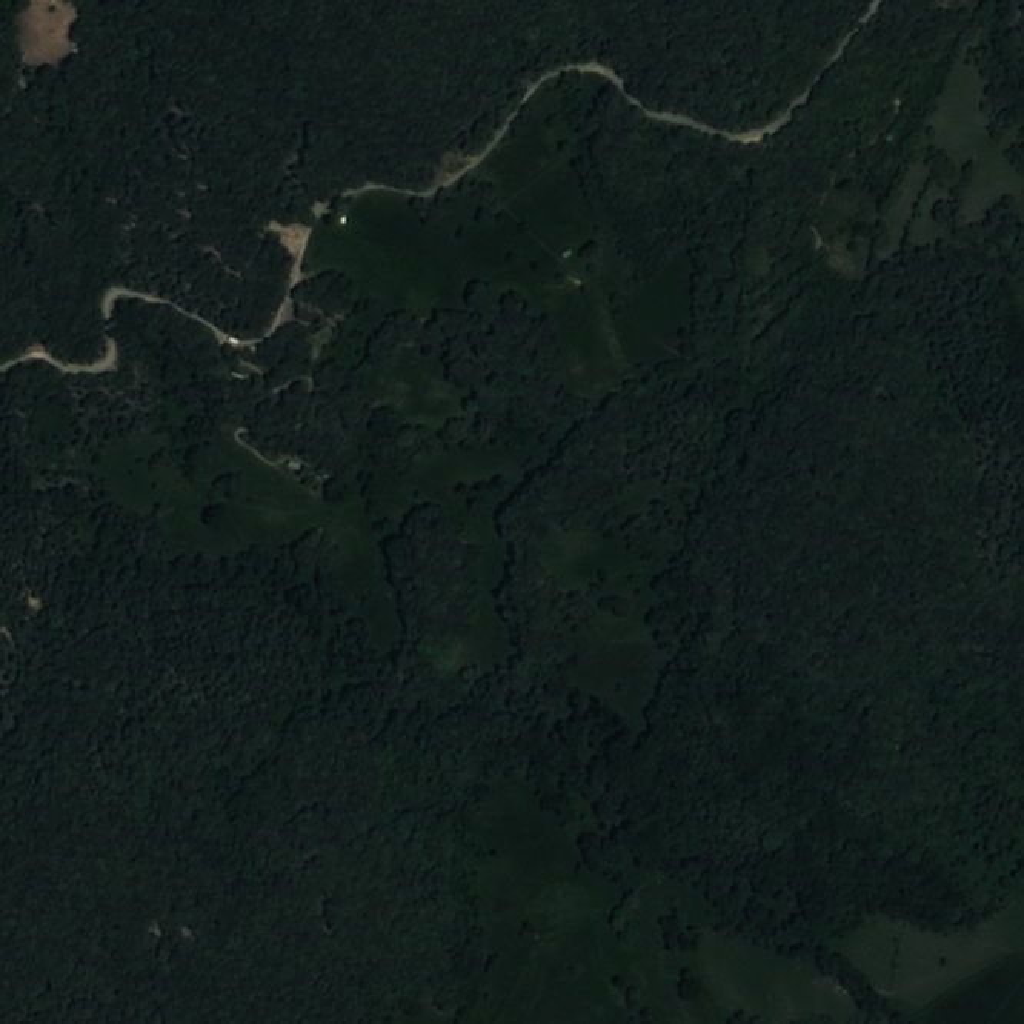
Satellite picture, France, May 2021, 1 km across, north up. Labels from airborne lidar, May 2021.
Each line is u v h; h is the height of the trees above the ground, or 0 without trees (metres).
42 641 12
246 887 17
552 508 14
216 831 15
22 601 6
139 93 22
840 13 14
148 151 23
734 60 9
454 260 0
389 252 0
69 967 21
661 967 0
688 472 7
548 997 0
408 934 12
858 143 10
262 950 12
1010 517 14
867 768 12
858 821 10
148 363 7
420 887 14
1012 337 17
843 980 17
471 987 12
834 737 16
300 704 9
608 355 0
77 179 25
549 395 18
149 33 20
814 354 11
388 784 9
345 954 14
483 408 18
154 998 18
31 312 20
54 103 21
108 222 16
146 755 12
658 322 0
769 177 17
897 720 15
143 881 19
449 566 19
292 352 17
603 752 12
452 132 16
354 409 23
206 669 13
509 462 0
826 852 13
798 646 18
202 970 12
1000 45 14
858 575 18
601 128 16
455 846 14
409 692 16
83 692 13
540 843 0
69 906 20
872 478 17
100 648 15
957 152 0
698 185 16
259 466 0
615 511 11
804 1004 0
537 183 0
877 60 16
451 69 14
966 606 16
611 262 0
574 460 18
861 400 17
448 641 20
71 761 14
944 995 0
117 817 15
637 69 15
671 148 14
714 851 8
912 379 15
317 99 16
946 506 14
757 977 0
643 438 8
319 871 16
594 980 0
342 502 24
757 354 15
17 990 21
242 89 19
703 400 8
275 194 17
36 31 0
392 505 0
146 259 14
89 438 11
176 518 0
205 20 17
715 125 13
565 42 16
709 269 13
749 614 16
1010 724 14
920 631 14
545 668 16
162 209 13
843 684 13
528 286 0
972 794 12
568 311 0
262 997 13
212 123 19
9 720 17
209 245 13
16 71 20
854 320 6
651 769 14
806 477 14
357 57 13
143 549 18
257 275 15
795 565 7
